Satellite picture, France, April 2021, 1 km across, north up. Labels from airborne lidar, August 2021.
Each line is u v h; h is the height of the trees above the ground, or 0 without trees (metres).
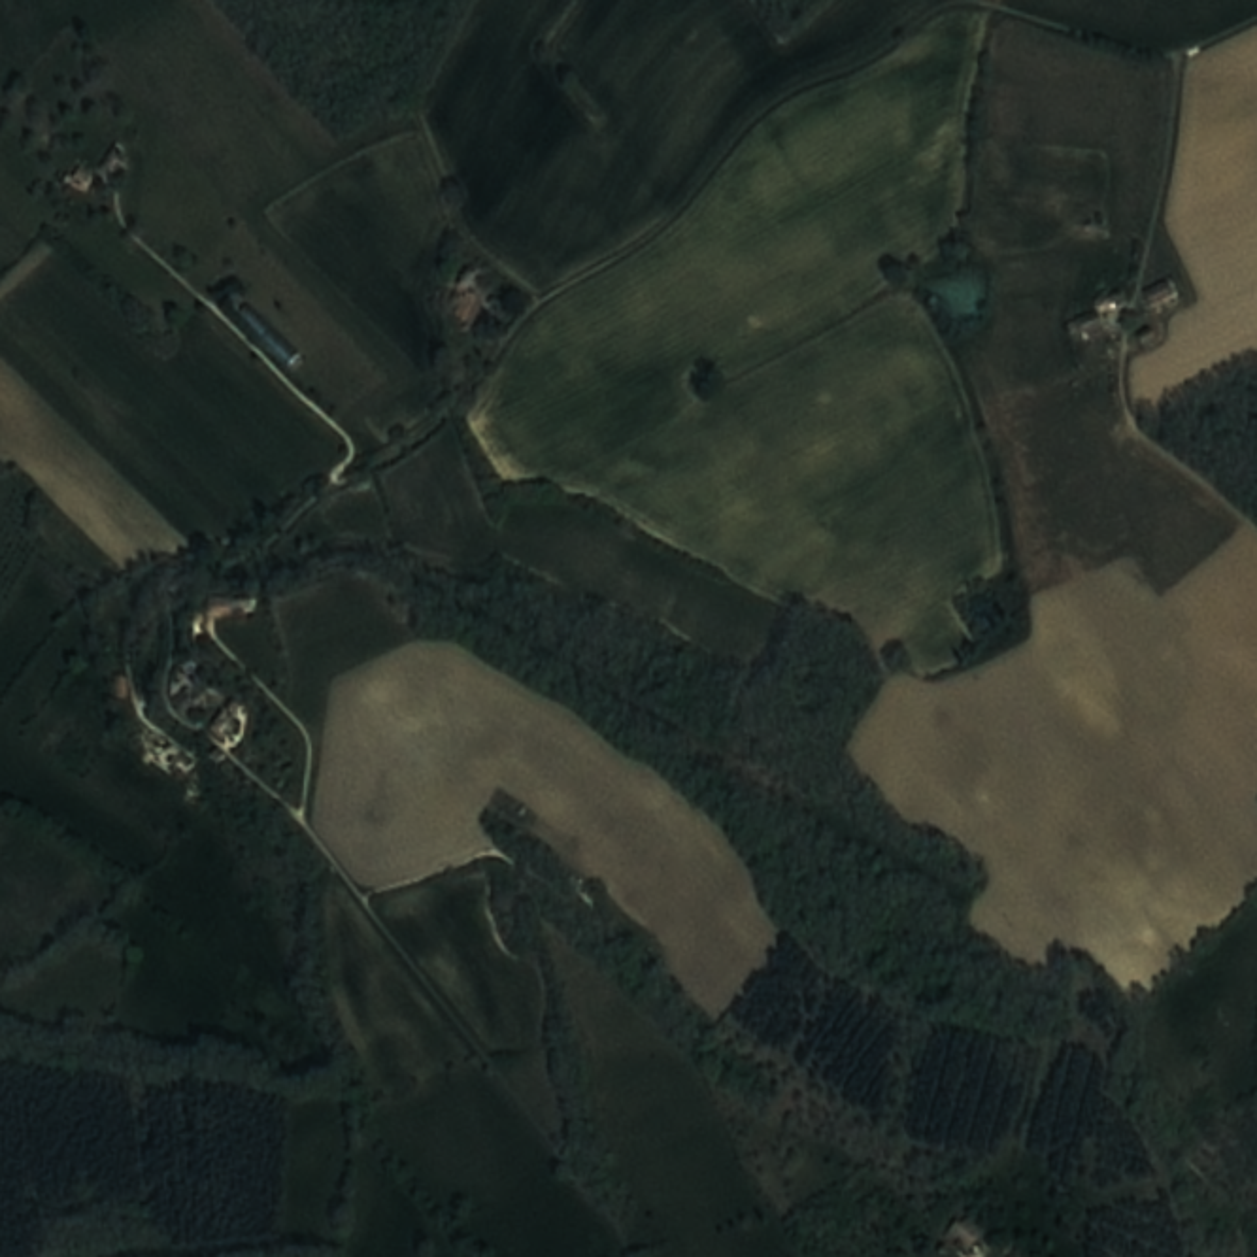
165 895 0
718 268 0
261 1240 19
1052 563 0
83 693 0
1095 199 0
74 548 0
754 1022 13
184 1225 17
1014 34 0
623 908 0
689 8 0
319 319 0
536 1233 0
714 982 0
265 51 18
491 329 17
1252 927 0
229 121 0
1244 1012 0
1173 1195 10
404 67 16
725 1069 9
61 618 9
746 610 0
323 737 0
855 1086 17
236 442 0
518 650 19
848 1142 10
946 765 0
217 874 0
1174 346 0
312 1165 0
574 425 0
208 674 7
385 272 0
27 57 0
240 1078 18
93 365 0
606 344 0
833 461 0
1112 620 0
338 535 0
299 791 6
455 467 0
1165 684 0
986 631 7
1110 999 12
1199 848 0
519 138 0
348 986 0
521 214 0
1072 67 0
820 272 0
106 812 0
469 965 0
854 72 0
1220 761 0
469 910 0
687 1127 0
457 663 0
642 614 11
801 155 0
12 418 0
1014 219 0
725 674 11
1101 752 0
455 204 11
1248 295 0
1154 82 0
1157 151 0
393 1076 0
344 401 0
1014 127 0
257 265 0
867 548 0
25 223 0
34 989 0
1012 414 0
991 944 17
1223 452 19
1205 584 0
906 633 0
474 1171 0
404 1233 0
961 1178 15
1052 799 0
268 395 0
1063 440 0
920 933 10
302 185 0
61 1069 14
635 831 0
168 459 0
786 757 14
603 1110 0
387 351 0
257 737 8
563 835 0
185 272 7
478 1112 0
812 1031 13
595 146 0
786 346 0
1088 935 0
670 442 0
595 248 0
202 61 0
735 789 13
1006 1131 14
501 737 0
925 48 0
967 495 0
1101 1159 8
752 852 14
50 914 0
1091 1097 12
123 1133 16
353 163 0
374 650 0
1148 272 0
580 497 6
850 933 26
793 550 0
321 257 0
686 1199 0
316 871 13
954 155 0
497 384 0
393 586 11
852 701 25
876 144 0
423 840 0
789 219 0
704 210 0
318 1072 17
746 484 0
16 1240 14
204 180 0
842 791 18
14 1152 18
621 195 0
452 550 0
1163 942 0
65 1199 10
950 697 0
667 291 0
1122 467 0
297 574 10
